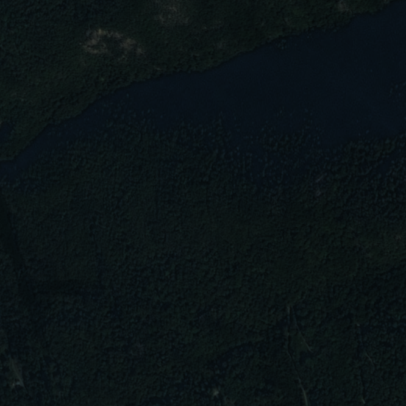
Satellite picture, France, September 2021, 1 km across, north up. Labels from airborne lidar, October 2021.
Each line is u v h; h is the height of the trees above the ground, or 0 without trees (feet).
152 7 45
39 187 76
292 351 31
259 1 79
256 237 60
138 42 36
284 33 74
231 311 79
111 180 63
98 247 49
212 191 56
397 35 57
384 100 132
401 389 79
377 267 51
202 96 74
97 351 92
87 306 86
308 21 77
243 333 90
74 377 72
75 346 68
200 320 93
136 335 89
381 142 74
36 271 75
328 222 94
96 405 84
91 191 65
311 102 86
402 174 68
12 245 35
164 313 84
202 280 89
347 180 62
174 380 78
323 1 70
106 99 73
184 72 75
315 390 93
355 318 79
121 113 84
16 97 41
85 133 84
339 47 88
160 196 78
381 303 99
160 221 63
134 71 84
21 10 75
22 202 67
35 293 74
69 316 77
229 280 98
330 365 103
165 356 71
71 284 65
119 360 83
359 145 81
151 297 90
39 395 52
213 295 89
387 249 46
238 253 59
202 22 64
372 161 23
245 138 96
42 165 62
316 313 92
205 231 59
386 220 47
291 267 68
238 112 95
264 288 94
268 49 103
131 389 57
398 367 75
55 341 66
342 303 91
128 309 95
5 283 64
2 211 33
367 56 116
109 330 102
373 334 80
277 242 79
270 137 80
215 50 70
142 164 71
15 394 54
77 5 90
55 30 83
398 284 98
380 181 25
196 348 78
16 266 22
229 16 77
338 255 62
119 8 65
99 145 73
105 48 32
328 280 69
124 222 76
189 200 56
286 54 71
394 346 86
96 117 116
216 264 85
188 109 71
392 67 53
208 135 105
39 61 72
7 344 37
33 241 79
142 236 65
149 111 109
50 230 73
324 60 84
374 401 92
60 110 82
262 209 71
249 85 102
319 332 92
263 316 99
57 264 76
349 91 74
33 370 75
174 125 103
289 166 96
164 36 66
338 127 121
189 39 76
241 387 83
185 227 69
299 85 100
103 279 84
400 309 97
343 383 93
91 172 73
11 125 60
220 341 94
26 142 76
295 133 71
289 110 90
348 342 102
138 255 70
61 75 38
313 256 64
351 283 82
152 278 84
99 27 33
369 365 89
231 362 82
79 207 58
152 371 93
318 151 129
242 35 102
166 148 62
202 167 61
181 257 85
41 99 59
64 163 91
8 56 73
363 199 61
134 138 71
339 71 86
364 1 47
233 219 57
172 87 73
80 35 48
